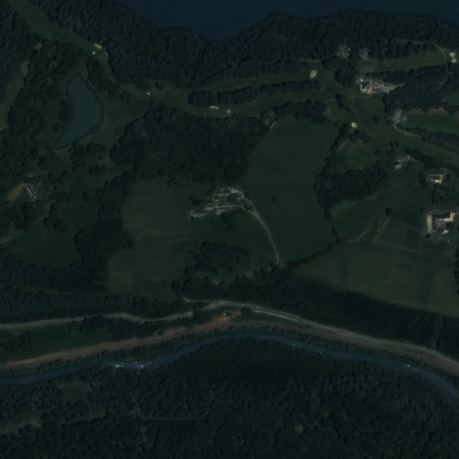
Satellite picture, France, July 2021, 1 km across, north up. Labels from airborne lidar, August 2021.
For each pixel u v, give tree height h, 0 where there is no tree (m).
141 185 0
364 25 24
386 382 24
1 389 24
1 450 39
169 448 26
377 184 14
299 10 0
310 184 0
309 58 14
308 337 20
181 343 14
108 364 0
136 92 0
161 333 17
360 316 21
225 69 35
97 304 22
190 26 0
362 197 8
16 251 0
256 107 0
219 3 0
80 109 0
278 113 23
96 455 34
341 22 20
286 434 29
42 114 20
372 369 28
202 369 17
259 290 12
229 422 27
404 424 27
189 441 25
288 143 0
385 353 17
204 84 7
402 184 0
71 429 27
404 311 19
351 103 0
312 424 33
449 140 22
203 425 23
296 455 31
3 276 28
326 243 0
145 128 23
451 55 0
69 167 0
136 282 0
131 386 30
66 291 8
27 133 17
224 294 19
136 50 12
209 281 21
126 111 0
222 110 0
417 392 20
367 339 0
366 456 28
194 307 19
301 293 14
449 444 31
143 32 26
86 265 22
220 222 0
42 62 24
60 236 0
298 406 30
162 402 31
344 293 7
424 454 9
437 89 23
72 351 0
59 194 6
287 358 11
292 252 0
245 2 0
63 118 18
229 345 21
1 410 23
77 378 18
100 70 19
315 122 19
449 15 0
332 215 17
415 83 26
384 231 0
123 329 18
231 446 33
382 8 0
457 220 0
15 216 24
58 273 16
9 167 19
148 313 13
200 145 22
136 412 20
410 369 0
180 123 23
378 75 21
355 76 24
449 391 0
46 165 13
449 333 12
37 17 0
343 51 0
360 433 30
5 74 35
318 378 18
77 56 17
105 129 0
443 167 14
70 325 16
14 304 26
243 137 24
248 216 0
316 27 9
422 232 0
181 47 27
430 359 0
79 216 0
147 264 0
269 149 0
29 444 34
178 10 0
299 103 0
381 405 39
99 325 26
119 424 35
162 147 20
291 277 18
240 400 30
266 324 0
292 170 0
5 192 23
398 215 0
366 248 0
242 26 0
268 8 0
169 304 10
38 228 0
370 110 0
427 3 0
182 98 0
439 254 0
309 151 0
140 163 28
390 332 23
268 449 24
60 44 23
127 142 24
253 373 22
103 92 18
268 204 0
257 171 0
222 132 19
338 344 10
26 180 14
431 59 0
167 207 0
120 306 29
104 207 17
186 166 25
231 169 18
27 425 0
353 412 37
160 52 9
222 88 0
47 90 26
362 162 0
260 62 31
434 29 11
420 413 24
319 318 7
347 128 26
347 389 31
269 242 0
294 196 0
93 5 27
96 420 0
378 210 0
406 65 0
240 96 33
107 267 17
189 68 20
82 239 24
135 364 0
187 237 0
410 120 0
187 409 35
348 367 21
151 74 30
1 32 30
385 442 28
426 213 14
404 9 0
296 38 25
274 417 27
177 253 0
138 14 0
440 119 0
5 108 0
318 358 22
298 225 0
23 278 21
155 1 0
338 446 29
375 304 22
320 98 0
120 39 27
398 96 26
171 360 0
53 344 0
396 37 29
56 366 19
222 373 25
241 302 8
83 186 0
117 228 20
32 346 25
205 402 33
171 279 0
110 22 26
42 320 17
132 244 19
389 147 0
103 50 0
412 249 0
